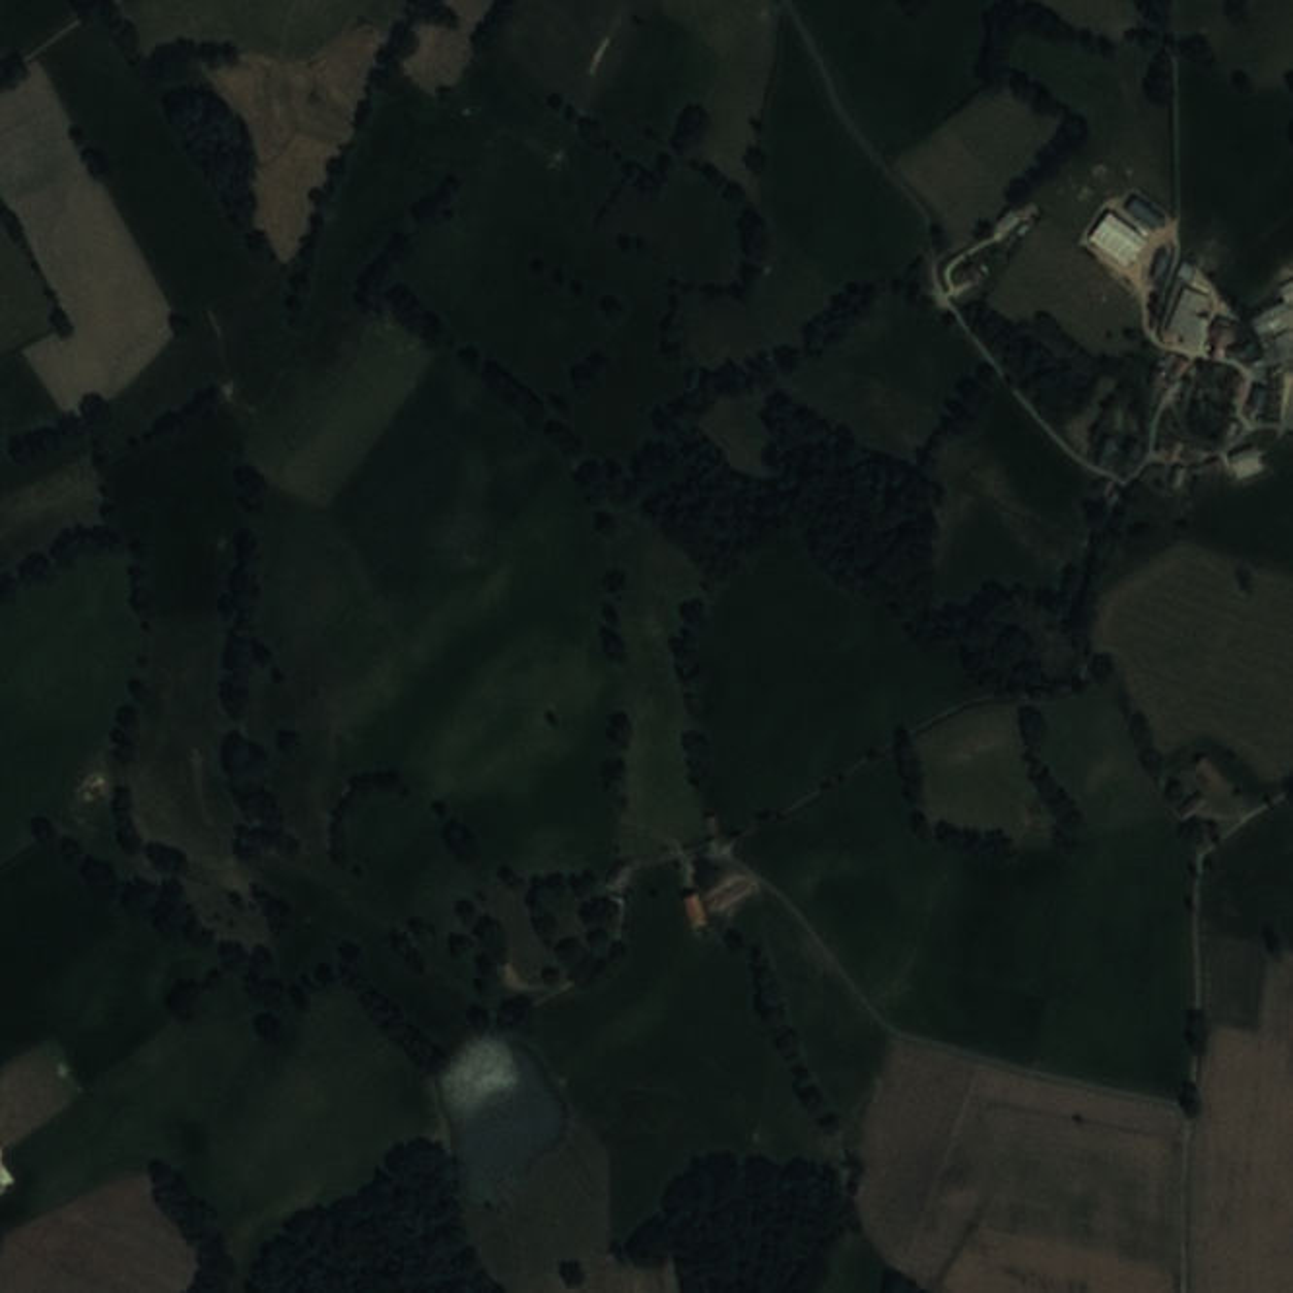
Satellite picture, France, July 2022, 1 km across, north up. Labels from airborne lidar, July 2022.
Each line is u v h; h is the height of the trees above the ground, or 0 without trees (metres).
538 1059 0
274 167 0
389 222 0
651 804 0
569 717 0
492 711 0
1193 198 0
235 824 0
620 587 20
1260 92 0
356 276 0
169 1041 0
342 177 17
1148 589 0
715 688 0
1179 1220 0
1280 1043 0
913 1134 0
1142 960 0
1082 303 0
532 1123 0
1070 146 23
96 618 0
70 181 0
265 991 24
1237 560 0
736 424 0
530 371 0
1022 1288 0
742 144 0
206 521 0
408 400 0
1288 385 0
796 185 0
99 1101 0
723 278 0
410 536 0
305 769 0
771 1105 0
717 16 0
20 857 0
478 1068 0
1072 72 0
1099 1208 0
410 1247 27
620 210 0
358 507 0
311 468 0
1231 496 0
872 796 0
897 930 0
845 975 0
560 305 0
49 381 0
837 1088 0
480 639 0
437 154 0
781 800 0
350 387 0
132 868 0
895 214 0
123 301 0
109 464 9
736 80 0
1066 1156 0
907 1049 0
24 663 0
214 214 0
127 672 0
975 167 0
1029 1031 0
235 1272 12
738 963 0
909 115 0
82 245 0
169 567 0
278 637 0
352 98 0
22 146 0
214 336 0
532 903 14
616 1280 0
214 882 0
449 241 0
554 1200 0
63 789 0
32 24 0
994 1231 0
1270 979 0
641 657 0
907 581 27
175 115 27
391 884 0
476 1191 0
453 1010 0
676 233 0
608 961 18
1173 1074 0
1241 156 0
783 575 0
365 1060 0
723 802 0
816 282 0
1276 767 0
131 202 0
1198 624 0
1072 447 0
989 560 0
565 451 15
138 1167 0
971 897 0
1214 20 0
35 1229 0
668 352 16
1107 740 0
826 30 0
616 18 0
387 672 0
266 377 0
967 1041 0
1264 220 0
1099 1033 0
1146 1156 0
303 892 0
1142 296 0
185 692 0
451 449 0
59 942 0
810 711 0
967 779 0
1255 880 0
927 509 14
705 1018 0
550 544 0
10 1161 0
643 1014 0
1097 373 7
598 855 0
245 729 0
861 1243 0
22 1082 0
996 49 24
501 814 0
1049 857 0
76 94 0
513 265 0
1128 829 0
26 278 0
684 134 17
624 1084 0
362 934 0
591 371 14
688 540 20
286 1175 0
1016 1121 0
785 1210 17
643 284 0
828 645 0
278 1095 0
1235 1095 0
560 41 0
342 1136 0
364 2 0
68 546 17
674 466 23
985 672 25
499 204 0
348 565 0
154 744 0
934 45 0
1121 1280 0
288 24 0
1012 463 0
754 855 0
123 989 0
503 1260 0
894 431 0
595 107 0
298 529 0
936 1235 0
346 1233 24
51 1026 0
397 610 0
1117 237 0
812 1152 0
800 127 0
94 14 18
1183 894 0
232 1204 0
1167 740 0
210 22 0
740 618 0
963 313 8
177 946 0
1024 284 0
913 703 0
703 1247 25
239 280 0
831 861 0
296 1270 14
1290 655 0
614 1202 0
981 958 0
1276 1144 0
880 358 0
